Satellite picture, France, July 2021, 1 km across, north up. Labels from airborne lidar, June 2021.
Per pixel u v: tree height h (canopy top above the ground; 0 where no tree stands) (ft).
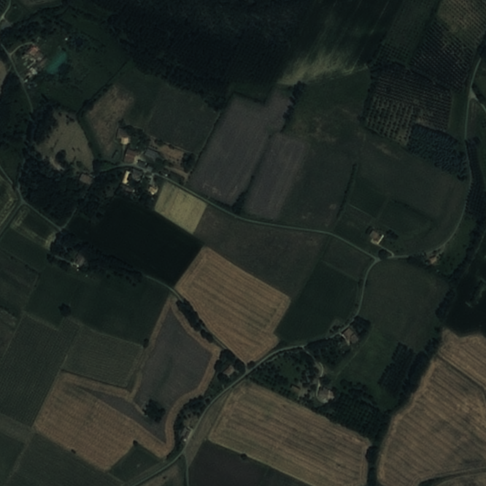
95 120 0
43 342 0
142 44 60
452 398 0
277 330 0
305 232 0
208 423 0
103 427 0
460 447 0
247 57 91
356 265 0
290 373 0
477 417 0
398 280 0
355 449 0
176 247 0
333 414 28
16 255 0
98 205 53
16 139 38
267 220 0
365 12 0
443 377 0
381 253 42
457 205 0
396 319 0
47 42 0
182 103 0
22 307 0
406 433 0
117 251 0
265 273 0
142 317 0
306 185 0
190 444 0
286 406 0
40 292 0
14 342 0
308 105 0
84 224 0
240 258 0
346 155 0
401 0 0
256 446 0
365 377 0
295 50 0
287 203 0
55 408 0
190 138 0
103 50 22
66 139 0
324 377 20
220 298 0
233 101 0
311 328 0
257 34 84
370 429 52
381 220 0
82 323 0
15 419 0
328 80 0
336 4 0
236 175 0
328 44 0
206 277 0
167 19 99
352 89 0
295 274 0
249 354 0
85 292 0
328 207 0
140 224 0
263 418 0
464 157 70
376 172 0
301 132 0
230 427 0
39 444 0
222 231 0
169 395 0
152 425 0
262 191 0
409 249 0
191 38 95
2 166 0
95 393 0
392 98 49
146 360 0
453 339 0
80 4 0
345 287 0
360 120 61
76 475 0
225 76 74
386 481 0
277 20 77
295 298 0
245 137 0
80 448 0
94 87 0
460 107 0
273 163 0
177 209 0
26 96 0
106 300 0
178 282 0
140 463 0
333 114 0
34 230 0
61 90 0
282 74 0
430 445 0
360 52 0
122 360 0
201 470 0
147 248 0
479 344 0
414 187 0
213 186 0
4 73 0
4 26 0
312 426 0
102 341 0
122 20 70
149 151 0
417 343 0
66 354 0
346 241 0
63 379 0
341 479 0
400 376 74
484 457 0
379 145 0
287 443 0
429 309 0
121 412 0
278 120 0
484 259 0
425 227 0
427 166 0
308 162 0
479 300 0
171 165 20
